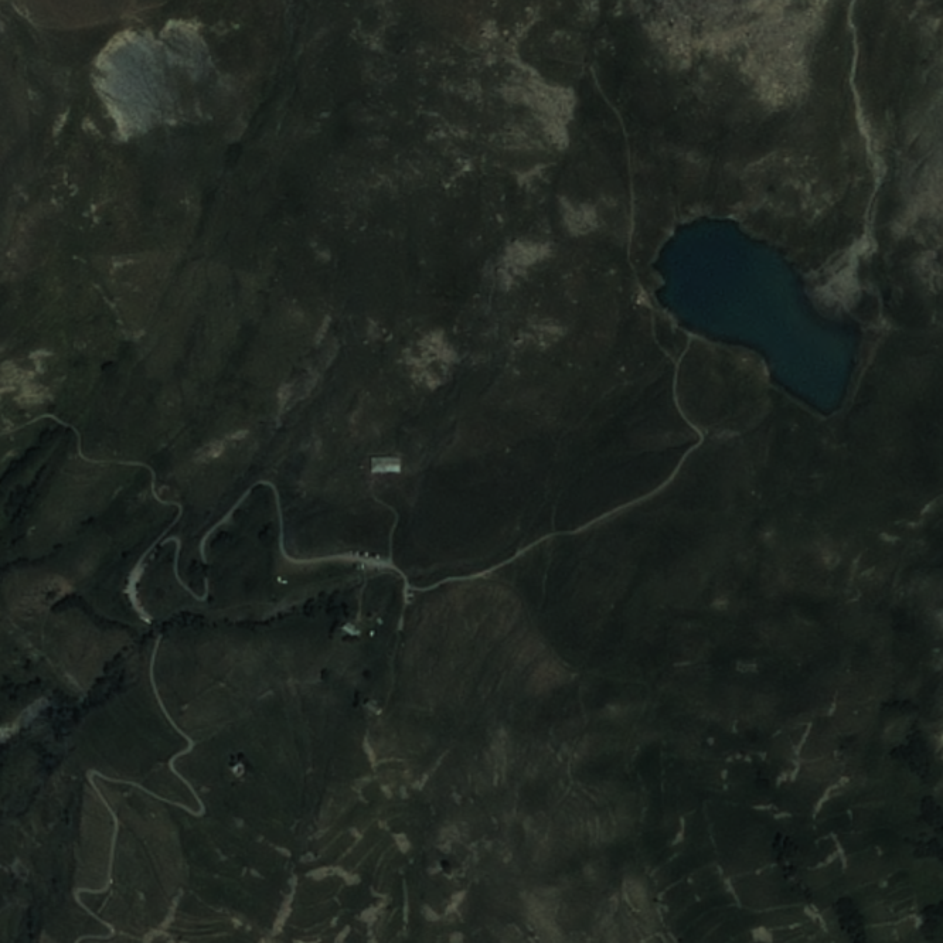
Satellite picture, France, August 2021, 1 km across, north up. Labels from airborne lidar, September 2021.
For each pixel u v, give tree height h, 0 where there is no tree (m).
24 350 0
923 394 0
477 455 0
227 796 0
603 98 0
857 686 0
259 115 0
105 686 15
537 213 0
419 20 0
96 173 0
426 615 0
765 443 0
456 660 0
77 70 0
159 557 11
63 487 0
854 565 0
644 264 0
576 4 0
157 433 0
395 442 0
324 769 0
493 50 0
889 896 0
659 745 0
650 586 0
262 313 0
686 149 0
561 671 0
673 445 0
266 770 0
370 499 0
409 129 0
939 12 0
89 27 0
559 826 0
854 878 0
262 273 0
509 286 0
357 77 0
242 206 0
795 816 0
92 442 0
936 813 9
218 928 0
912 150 0
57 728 6
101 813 0
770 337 0
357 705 6
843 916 9
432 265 0
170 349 0
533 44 0
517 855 0
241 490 0
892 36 0
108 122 0
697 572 0
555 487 0
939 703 0
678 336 0
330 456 0
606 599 0
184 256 0
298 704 0
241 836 0
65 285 0
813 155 0
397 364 0
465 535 0
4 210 0
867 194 0
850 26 0
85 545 0
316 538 0
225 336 0
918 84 0
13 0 0
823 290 0
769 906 0
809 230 0
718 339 0
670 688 0
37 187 0
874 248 0
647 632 0
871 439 0
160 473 0
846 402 0
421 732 0
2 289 0
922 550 0
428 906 0
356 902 0
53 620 0
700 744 0
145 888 0
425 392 0
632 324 0
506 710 0
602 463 0
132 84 0
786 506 0
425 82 0
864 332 0
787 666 0
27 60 0
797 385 0
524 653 0
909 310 0
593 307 0
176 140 0
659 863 0
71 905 0
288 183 0
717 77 0
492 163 0
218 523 0
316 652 0
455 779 0
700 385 0
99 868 0
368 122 0
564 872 0
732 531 0
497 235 0
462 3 0
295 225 0
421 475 0
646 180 0
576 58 0
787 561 0
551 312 0
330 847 0
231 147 0
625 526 0
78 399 0
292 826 0
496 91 0
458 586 0
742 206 0
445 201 0
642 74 0
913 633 0
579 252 0
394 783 0
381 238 0
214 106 0
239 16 0
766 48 0
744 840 0
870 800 0
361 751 0
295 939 0
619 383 0
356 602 0
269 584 0
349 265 0
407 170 0
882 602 0
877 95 0
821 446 0
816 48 0
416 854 0
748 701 0
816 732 0
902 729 0
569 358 0
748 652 0
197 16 0
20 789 0
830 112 0
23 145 0
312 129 0
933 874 0
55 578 0
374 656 0
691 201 0
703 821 0
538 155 0
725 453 0
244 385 0
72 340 0
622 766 0
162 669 0
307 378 0
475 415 0
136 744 0
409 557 0
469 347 0
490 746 0
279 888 0
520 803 0
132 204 0
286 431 0
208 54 0
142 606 0
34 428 0
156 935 0
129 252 0
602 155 0
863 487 0
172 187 0
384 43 0
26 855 0
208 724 0
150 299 0
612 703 0
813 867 0
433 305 0
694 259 0
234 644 0
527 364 0
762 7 0
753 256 0
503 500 0
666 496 0
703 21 0
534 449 0
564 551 0
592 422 0
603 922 0
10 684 6
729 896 0
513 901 0
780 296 0
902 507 0
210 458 0
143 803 0
